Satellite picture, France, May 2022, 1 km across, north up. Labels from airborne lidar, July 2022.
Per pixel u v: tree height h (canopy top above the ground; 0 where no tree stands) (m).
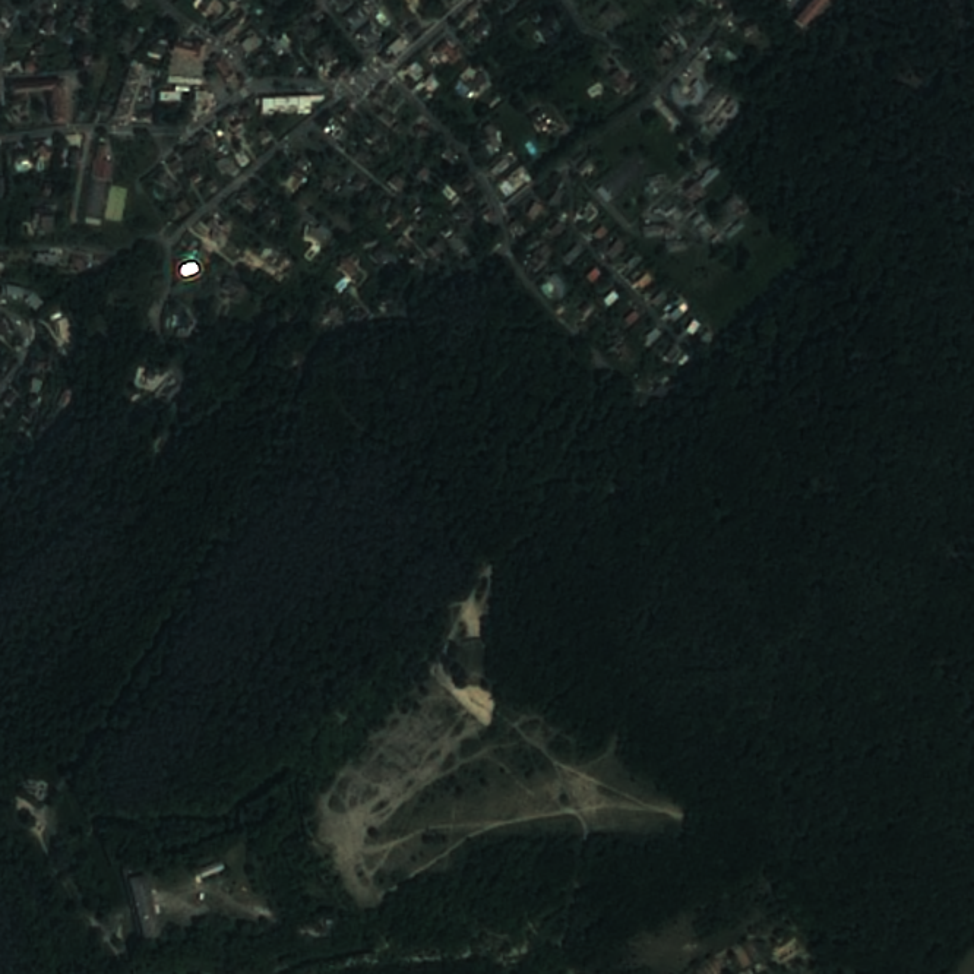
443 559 29
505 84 11
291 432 22
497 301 21
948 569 18
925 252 18
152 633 7
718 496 27
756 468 27
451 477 21
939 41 23
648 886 18
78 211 0
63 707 18
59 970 9
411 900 11
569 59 19
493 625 15
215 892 0
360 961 7
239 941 16
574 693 15
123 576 13
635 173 0
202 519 24
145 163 0
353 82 0
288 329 20
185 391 14
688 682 17
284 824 9
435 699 0
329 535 32
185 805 12
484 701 0
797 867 20
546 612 17
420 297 20
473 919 7
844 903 16
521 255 7
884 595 14
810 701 17
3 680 15
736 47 7
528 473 13
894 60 20
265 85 0
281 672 21
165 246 0
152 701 20
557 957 14
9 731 22
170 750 22
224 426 18
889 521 15
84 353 23
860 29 23
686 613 19
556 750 8
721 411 25
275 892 9
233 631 26
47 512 24
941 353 21
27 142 11
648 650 15
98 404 13
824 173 16
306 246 0
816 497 23
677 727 18
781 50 18
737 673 20
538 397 14
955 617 14
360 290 7
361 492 25
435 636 14
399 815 0
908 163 23
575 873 16
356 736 10
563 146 12
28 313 6
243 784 11
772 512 22
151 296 0
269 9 6
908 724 19
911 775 20
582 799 0
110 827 25
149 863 15
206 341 19
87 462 26
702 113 0
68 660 13
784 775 20
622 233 7
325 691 7
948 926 14
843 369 14
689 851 14
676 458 21
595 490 20
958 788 21
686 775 19
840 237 19
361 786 0
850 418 24
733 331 9
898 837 26
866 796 22
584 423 17
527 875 20
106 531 14
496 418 21
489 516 20
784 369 18
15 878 12
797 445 24
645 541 26
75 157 0
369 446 17
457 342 27
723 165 16
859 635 17
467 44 6
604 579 19
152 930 0
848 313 24
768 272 0
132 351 17
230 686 21
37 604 15
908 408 20
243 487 22
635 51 13
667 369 8
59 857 18
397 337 20
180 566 18
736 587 22
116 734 25
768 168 20
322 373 20
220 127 9
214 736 21
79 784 20
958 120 22
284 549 29
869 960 17
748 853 18
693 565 22
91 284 21
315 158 16
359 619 18
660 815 0
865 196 22
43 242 10
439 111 12
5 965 19
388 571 27
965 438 17
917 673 17
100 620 9
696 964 7
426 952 6
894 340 22
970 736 19
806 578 19
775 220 15
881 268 15
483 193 7
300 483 28
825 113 26
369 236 7
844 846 22
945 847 19
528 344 21
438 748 0
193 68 0
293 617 29
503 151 7
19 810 0
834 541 15
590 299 6
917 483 16
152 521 20
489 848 7
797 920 15
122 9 9
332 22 9
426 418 21
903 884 18
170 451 16
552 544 21
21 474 23
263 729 24
